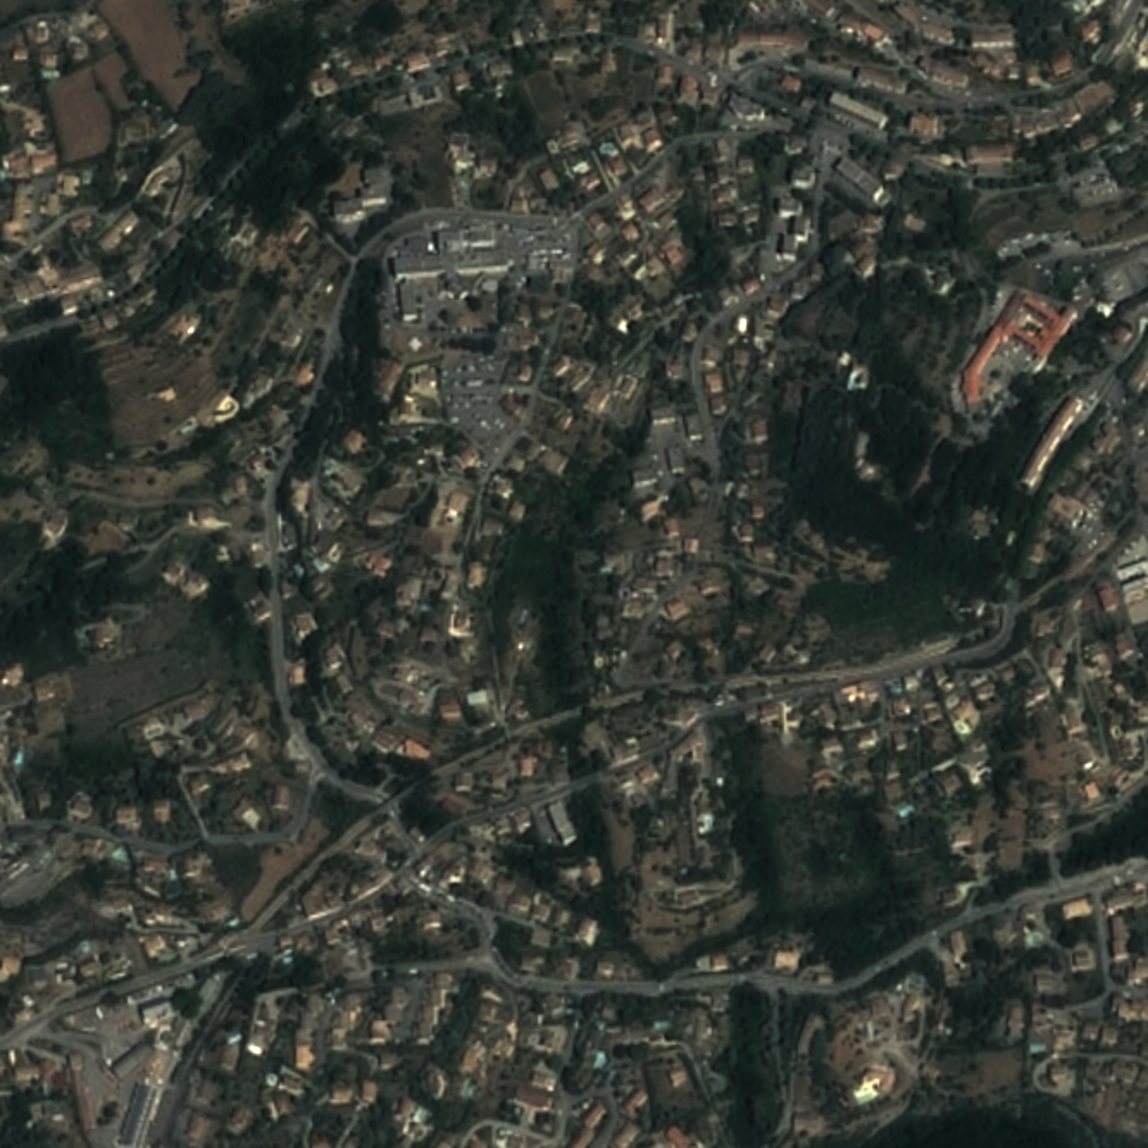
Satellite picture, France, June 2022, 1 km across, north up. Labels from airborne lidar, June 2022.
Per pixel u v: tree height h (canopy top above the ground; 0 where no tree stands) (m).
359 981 0
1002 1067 0
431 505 6
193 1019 13
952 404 10
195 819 9
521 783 7
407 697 0
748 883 8
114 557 11
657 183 0
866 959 8
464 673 0
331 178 15
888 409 14
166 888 9
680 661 11
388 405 6
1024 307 0
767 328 6
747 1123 8
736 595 14
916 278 16
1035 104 14
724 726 6
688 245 11
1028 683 11
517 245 0
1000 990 6
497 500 6
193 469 0
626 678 0
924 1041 7
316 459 8
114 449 13
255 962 6
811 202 7
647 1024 7
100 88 9
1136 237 0
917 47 13
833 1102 8
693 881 9
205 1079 9
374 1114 12
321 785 10
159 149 9
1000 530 16
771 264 0
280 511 6
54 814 8
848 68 0
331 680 6
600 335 7
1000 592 15
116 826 7
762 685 7
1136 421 10
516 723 13
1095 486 11
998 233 0
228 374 11
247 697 8
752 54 7
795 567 8
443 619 0
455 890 9
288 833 0
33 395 17
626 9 13
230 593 8
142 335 7
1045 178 14
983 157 0
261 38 9
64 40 6
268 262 0
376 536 9
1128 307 18
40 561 16
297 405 10
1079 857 12
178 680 0
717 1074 11
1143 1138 0
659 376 9
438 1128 6
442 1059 10
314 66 6
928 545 11
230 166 14
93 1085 0
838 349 15
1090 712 9
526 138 19
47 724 0
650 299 11
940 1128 6
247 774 6
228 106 14
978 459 9
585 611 7
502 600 10
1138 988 0
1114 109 10
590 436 12
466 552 7
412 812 10
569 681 5
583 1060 12
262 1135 10
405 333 0
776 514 9
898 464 14
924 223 0
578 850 9
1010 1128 8
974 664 7
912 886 6
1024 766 10
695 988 6
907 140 7
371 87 13
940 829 11
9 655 11
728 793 8
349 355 8
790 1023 10
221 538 11
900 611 6
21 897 0
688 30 7
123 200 12
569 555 16
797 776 0
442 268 0
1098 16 11
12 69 0
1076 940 15
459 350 8
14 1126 13
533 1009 7
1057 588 5
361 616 8
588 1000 10
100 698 0
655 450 0
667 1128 12
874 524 9
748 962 6
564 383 6
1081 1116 7
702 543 0
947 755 7
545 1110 7
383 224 8
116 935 7
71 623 10
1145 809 10
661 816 8
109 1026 0
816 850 6
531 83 0
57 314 12
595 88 0
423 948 6
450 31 10
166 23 0
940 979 8
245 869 0
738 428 13
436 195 0
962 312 10
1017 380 6
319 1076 7
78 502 9
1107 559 8
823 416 14
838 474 8
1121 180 15
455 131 13
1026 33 20
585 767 10
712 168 8
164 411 0
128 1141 0
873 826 8
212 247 10
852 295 8
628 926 8
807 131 8
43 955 11
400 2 7
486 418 0
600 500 10
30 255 6
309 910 0
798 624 8
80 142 0
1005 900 12
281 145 15
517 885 0
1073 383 10
